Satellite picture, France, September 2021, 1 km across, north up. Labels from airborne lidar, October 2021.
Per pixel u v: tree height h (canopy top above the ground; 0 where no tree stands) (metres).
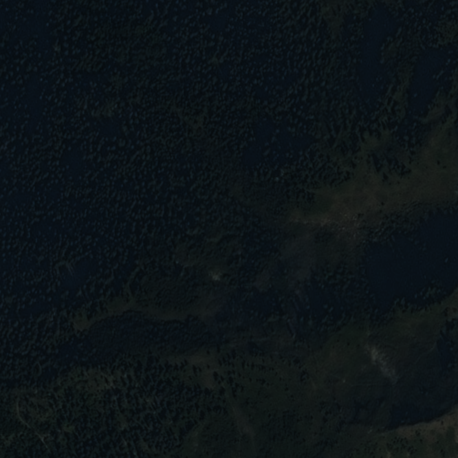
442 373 0
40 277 28
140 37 8
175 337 5
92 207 30
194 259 0
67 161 7
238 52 31
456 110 0
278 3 31
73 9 15
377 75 14
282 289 0
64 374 8
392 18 6
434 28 12
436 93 20
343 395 0
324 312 6
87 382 8
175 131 12
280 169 29
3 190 37
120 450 15
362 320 5
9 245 7
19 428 12
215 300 0
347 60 9
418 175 0
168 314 0
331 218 0
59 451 30
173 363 0
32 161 32
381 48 20
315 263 0
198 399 22
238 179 6
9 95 16
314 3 28
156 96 10
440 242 6
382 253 0
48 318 24
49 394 6
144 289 5
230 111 22
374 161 0
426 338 0
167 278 13
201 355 0
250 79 8
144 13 13
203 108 17
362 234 0
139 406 27
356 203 0
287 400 0
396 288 6
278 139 7
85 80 13
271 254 6
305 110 6
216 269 0
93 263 12
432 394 0
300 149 8
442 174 0
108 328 6
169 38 25
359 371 0
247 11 25
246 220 7
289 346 0
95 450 32
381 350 0
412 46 9
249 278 6
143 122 19
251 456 0
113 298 19
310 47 18
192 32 25
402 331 0
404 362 0
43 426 11
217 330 0
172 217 5
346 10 0
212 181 11
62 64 12
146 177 7
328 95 12
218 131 14
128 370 17
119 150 8
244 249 0
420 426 0
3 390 24
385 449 0
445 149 0
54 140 29
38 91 7
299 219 0
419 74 0
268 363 0
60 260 27
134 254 19
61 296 24
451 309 0
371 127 17
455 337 0
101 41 15
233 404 0
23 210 33
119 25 13
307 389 0
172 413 22
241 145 21
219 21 0
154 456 7
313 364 0
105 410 12
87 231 6
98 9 12
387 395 0
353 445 0
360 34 10
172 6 7
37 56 33
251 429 0
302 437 0
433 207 0
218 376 13
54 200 9
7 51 17
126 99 13
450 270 6
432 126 0
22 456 7
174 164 11
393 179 0
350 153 24
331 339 0
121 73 9
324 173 17
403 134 10
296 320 0
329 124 14
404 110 0
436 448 0
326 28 20
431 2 15
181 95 11
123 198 32
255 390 0
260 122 9
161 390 16
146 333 5
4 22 10
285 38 31
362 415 0
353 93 6
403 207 0
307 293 0
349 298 5
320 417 0
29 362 7
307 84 8
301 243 0
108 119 0
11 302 24
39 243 6
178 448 11
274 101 26
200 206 16
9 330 26
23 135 19
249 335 0
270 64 29
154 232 6
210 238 0
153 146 14
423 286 6
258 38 28
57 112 30
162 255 5
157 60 9
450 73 7
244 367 9
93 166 12
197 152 8
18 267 20
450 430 0
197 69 34
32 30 8
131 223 21
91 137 29
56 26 13
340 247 0
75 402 8
